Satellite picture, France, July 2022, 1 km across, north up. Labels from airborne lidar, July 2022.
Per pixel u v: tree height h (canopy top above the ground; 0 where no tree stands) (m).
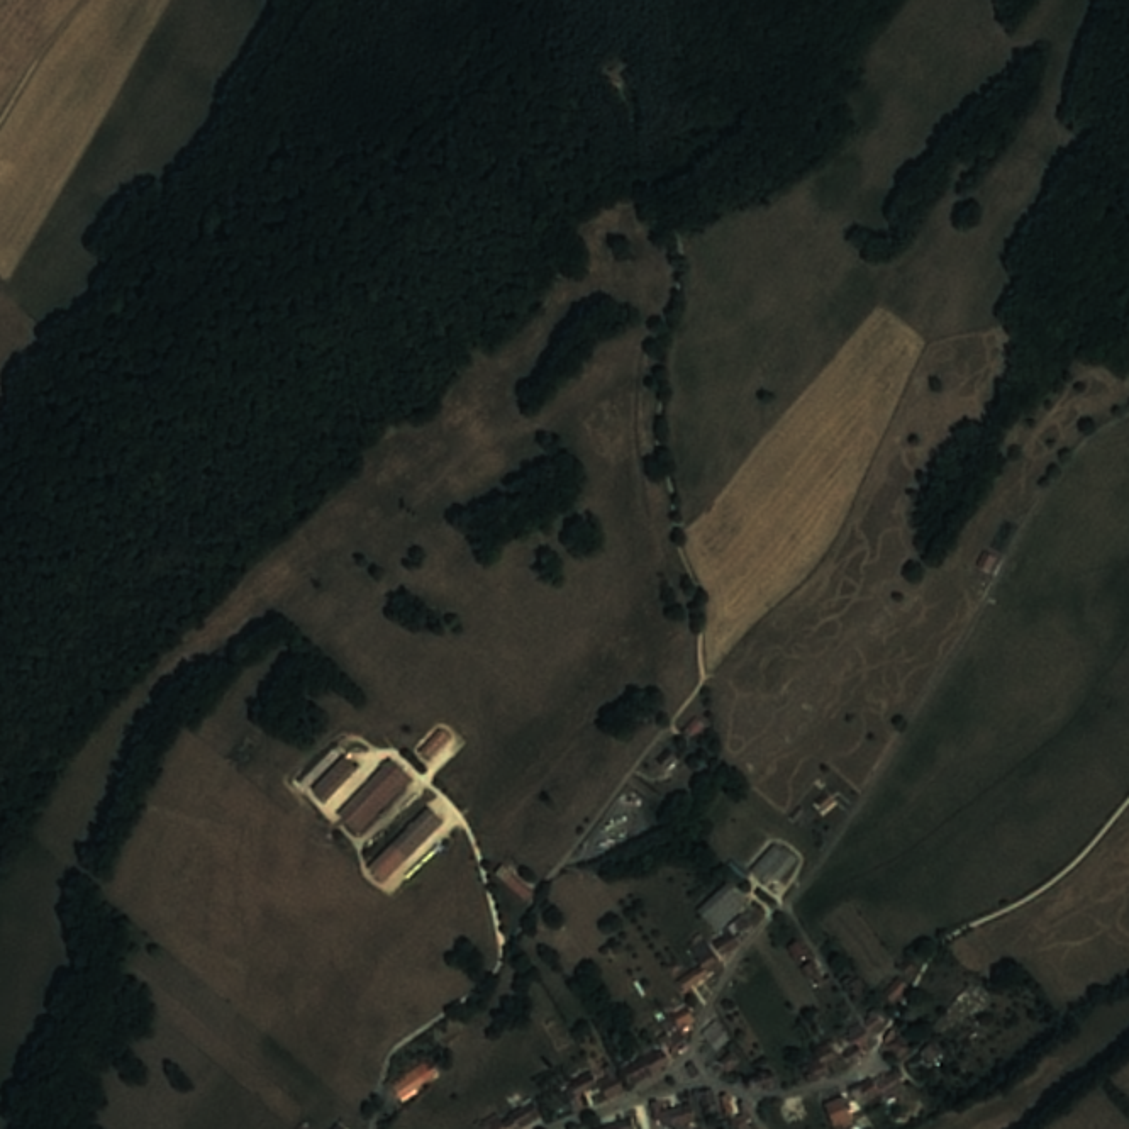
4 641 18
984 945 0
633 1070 0
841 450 0
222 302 22
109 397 23
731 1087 0
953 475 21
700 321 0
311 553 0
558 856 0
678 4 17
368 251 21
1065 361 21
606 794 0
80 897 18
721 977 0
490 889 9
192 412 19
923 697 0
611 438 0
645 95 19
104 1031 18
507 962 9
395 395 16
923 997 12
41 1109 23
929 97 0
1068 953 0
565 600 0
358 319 15
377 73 19
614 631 0
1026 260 17
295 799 0
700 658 0
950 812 0
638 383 0
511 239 17
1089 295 21
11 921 0
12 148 0
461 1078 0
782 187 19
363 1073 0
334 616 0
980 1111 0
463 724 0
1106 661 0
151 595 16
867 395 0
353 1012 0
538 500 22
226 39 0
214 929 0
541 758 0
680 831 17
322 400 14
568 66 16
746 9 21
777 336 0
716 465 0
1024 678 0
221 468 13
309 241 23
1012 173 0
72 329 20
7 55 0
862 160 0
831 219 0
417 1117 0
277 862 0
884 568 0
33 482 23
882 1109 7
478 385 0
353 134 21
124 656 22
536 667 0
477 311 16
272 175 23
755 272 0
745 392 0
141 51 0
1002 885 0
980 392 0
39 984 0
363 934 0
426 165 22
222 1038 0
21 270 0
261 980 0
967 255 0
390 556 0
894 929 0
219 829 0
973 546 0
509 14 14
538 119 19
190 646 0
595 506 0
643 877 15
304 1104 0
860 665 0
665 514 0
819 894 0
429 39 17
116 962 18
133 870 0
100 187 0
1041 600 0
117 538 14
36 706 13
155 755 15
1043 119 0
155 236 21
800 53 26
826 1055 0
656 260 0
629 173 21
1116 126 18
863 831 0
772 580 0
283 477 18
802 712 0
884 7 24
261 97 20
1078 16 0
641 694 17
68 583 16
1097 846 0
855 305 0
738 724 0
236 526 17
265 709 20
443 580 0
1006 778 0
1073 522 0
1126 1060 15
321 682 20
